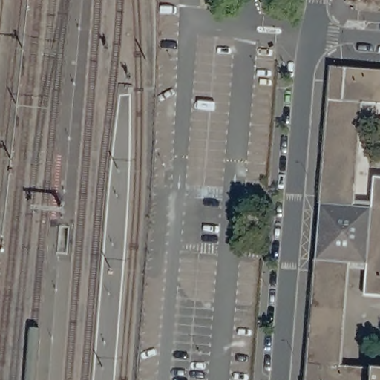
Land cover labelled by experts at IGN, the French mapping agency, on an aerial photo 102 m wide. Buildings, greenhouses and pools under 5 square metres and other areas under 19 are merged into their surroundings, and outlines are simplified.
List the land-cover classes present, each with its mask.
<instances>
[{"label":"impervious surface","instance_id":"1","mask_svg":"<svg viewBox=\"0 0 380 380\"><path fill-rule=\"evenodd\" d=\"M307 7L303 25L294 30L289 27L288 22L263 15V4L260 0H249V6L243 10L240 18L215 22L208 9L212 0H156V3H151L153 83L148 86V83L144 82V107H148V95L154 91L160 95L156 104L154 123L156 141L153 187L171 189V194L162 272L160 278H145L142 353L138 380H249V359H246V355L251 352L249 344L255 319V278L260 257L254 252H246L245 257H235L229 243L235 226L233 211L239 199L252 194L264 197L266 193L269 197L282 194L281 202L275 206L278 215L272 217L275 221L273 229L276 230L272 251L276 252V257L284 261L281 270L270 272V278L261 275L260 309L264 315H261L260 322L264 340L258 343L255 350L254 370L257 371V380H304L328 71L331 65L380 70V13L358 10L355 6L346 4V0H304ZM275 56L288 68L289 76L295 77L294 98L286 96V107L281 116L276 117V125L291 126V135H282L279 138V141L284 142V156L289 157V169L282 175V184L273 181L272 177L267 178L263 175L269 140ZM134 148V88H128V92L117 95L114 116L105 196L91 380H117L131 221ZM364 108L359 110L353 119L356 128L365 117L380 120V102L361 101ZM358 150L353 186V191L358 194L356 200H370L371 180L373 175H380V162L368 160L359 137L356 140ZM364 270L350 272L349 312L346 316V328H341L338 358L343 359L344 365H361V380H368L371 365H380V356L370 358L364 353H359L358 346L367 335H380V298L362 295Z\"/></svg>","mask_w":380,"mask_h":380},{"label":"pervious surface","instance_id":"2","mask_svg":"<svg viewBox=\"0 0 380 380\"><path fill-rule=\"evenodd\" d=\"M151 3H156V0H0V380H91L105 196L114 116L117 95L128 92V88H134V148L131 221L117 380H138L142 353L145 278H160L162 272L171 194V189L153 187L156 141L154 123L156 104L160 95L154 91L148 95V107H144V82L148 83V86L153 83Z\"/></svg>","mask_w":380,"mask_h":380},{"label":"building","instance_id":"3","mask_svg":"<svg viewBox=\"0 0 380 380\"><path fill-rule=\"evenodd\" d=\"M361 101L380 102V70L331 65L328 71L304 380H361V365H344L343 359L338 358L341 328H346V316L349 312L350 272L364 270L362 295L380 298V175H373L371 180L370 200H356L358 194L353 191V186L358 150L356 140L359 137L353 119L359 110L364 108ZM368 380H380V365H371Z\"/></svg>","mask_w":380,"mask_h":380},{"label":"deciduous trees","instance_id":"4","mask_svg":"<svg viewBox=\"0 0 380 380\"><path fill-rule=\"evenodd\" d=\"M249 6V0H212L208 9L215 22L240 18L243 10ZM263 4V15L288 22L289 27L294 30L303 25L307 7L304 0H260ZM359 137L368 160L380 162V120L365 117L356 128ZM282 194L269 197L266 193L264 197L252 194L239 199L233 211L235 226L229 243L235 257H245L246 252H254L260 257L267 263L276 257V252L272 251L276 230L273 229L275 221L272 217L278 215L275 206L281 202ZM359 353H364L370 358L380 356V335H367L358 346Z\"/></svg>","mask_w":380,"mask_h":380},{"label":"herbaceous vegetation","instance_id":"5","mask_svg":"<svg viewBox=\"0 0 380 380\"><path fill-rule=\"evenodd\" d=\"M346 4L355 6L358 10L380 13V0H346ZM295 77L289 76L288 68L275 56L269 140L263 175L267 178L272 177L273 181L282 184V175L289 169V157L284 156V142L279 141V138L282 135H291V126L276 125V117L281 116L286 107V96L294 98ZM284 261L276 257L267 263L260 257L255 278V319L249 344L251 352L246 355V359H249V380H257V371L254 370L255 350L258 343L264 340L260 322L261 315H264L260 309L261 275L270 278V272L281 270Z\"/></svg>","mask_w":380,"mask_h":380}]
</instances>
